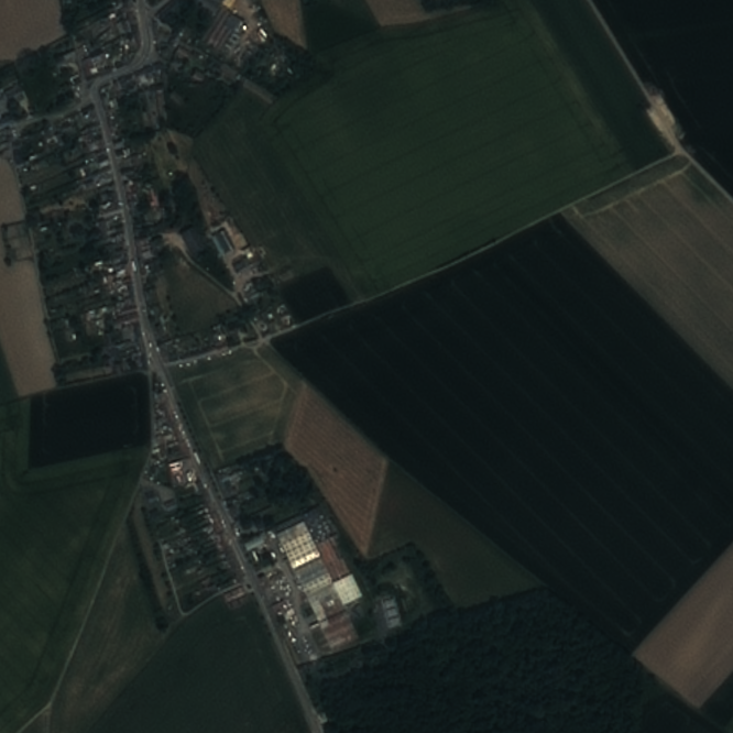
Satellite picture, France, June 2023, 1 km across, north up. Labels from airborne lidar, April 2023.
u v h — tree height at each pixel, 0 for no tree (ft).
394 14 0
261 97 0
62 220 23
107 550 0
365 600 0
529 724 72
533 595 47
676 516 0
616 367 0
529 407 0
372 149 0
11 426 0
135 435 0
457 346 0
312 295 0
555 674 71
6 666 0
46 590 0
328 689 39
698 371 0
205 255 19
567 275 0
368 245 0
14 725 0
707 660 0
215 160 0
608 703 71
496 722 47
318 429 0
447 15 0
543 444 0
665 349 0
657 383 0
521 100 0
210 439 0
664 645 0
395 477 0
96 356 33
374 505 0
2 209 0
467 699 57
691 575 0
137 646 0
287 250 0
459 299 0
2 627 0
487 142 0
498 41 0
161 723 0
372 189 0
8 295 0
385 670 53
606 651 60
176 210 31
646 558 0
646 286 0
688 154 0
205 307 0
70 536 0
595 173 0
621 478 0
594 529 0
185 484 0
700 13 0
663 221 0
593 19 0
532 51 0
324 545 0
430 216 0
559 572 0
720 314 0
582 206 0
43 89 0
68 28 59
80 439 0
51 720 0
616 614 0
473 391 0
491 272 0
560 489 0
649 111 0
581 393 0
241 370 0
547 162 0
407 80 0
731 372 0
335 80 0
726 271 0
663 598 0
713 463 0
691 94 0
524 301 0
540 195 0
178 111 0
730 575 0
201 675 0
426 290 0
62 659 0
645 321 0
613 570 0
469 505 0
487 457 0
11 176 0
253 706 0
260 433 0
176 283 0
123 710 0
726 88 0
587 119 0
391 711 64
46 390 0
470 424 0
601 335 0
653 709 0
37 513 0
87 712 0
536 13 0
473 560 0
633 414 0
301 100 0
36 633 0
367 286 0
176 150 28
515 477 0
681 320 0
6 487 0
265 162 0
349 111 0
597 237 0
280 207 0
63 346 0
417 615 0
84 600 0
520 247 0
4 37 0
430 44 0
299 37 0
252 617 0
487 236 0
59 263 18
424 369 0
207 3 0
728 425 0
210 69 29
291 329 0
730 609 0
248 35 0
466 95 0
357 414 0
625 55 0
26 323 0
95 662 0
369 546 0
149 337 0
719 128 0
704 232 0
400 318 0
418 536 0
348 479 0
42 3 0
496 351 0
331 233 0
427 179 0
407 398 0
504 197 0
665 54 0
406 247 0
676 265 0
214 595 0
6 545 0
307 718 0
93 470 0
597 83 0
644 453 0
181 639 0
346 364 0
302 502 28
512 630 77
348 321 0
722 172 0
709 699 0
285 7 0
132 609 0
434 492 0
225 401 0
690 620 0
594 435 0
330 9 0
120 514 0
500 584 0
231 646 0
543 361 0
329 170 0
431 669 61
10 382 0
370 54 0
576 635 57
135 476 0
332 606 0
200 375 0
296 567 0
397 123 0
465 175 0
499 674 58
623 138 0
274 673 0
